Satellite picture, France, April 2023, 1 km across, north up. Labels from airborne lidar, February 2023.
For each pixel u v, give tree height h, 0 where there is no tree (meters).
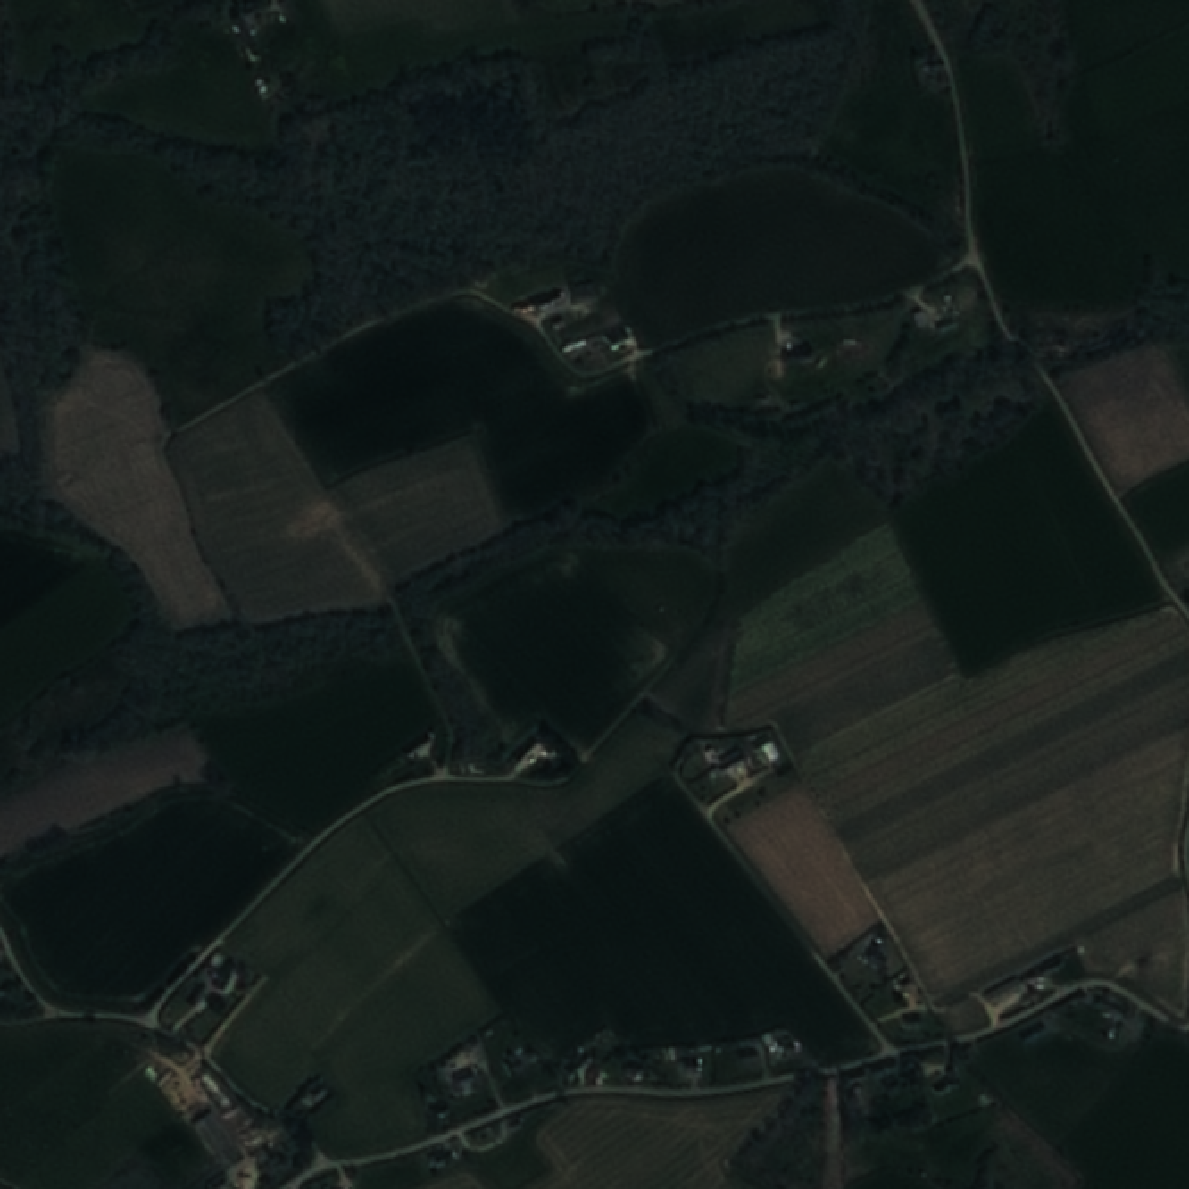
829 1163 0
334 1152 0
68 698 0
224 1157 0
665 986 0
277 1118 10
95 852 0
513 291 0
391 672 0
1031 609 0
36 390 14
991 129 0
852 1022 0
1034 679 0
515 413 0
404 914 0
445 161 12
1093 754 0
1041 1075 0
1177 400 0
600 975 0
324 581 0
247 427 0
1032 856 0
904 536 0
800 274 0
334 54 0
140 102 0
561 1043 0
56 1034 0
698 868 0
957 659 0
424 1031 0
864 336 0
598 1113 0
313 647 9
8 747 0
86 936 0
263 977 0
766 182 0
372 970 0
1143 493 0
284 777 0
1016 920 0
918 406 15
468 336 0
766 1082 0
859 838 0
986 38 12
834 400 6
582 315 0
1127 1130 0
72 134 11
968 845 0
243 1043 0
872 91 0
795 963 0
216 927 0
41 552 0
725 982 0
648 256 0
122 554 7
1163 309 9
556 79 0
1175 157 0
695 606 0
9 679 0
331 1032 0
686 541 11
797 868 0
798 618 0
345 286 24
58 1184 0
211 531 0
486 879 0
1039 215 0
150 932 0
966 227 0
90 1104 0
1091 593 0
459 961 0
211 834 0
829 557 0
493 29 0
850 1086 9
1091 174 0
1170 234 0
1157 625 0
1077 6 0
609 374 0
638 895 0
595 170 10
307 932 0
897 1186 0
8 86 10
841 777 0
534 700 0
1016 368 10
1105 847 0
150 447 0
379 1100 0
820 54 10
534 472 0
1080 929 0
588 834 0
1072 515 0
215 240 0
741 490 12
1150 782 0
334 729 0
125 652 8
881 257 0
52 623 0
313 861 0
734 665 0
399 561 0
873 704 0
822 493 0
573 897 0
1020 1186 0
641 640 0
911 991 0
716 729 0
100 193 0
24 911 0
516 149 15
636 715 5
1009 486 0
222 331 0
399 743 0
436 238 13
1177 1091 0
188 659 7
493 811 0
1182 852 7
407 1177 0
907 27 0
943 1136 0
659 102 13
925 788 0
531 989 0
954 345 0
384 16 0
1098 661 0
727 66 8
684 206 0
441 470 0
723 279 0
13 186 18
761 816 0
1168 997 0
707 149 11
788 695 0
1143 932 0
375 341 0
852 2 11
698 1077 0
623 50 10
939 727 0
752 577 0
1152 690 0
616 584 0
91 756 8
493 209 8
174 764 0
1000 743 0
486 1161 0
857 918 0
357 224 13
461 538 0
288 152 8
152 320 0
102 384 0
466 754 15
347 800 0
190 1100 0
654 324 0
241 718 0
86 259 0
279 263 0
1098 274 0
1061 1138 0
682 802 0
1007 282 0
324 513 0
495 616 0
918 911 0
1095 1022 0
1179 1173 0
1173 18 0
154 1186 0
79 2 0
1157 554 0
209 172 13
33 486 8
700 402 0
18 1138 0
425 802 0
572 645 0
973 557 0
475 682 0
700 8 9
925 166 0
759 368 0
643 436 0
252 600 0
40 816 0
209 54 0
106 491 0
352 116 9
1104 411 0
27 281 8
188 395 0
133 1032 0
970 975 0
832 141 0
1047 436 0
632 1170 0
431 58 0
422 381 0
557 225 10
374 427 0
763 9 0
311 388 0
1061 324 0
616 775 0
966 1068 8
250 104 0
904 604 0
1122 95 0
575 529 13
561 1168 0
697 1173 0
